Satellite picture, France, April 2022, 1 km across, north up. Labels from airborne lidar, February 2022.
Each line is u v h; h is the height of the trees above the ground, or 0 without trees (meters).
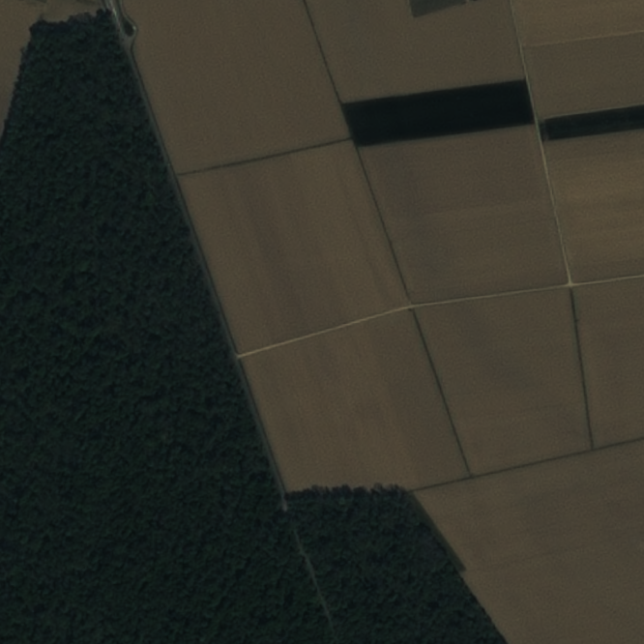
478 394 0
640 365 0
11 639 14
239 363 0
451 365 0
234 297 0
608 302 0
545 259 0
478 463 0
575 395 0
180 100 0
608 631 0
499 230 0
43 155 29
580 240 0
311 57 0
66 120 31
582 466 0
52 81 28
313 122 0
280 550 24
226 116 0
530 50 0
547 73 0
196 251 20
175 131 0
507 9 0
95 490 22
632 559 0
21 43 0
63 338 29
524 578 0
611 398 0
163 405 24
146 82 0
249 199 0
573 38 0
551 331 0
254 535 28
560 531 0
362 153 0
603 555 0
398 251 0
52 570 21
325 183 0
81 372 25
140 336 29
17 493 21
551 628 0
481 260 0
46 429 24
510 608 0
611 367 0
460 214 0
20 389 28
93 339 23
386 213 0
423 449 0
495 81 0
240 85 0
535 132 0
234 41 0
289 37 0
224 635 23
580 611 0
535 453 0
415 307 0
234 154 0
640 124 0
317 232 0
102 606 23
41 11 0
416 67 0
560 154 0
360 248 0
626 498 0
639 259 0
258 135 0
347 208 0
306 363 0
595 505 0
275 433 0
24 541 21
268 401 0
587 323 0
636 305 0
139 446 27
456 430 0
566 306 0
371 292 0
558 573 0
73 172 27
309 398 0
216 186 0
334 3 0
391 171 0
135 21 0
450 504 0
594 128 0
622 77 0
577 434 0
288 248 0
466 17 0
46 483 20
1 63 0
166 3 0
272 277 0
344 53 0
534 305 0
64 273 25
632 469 0
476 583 0
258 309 0
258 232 0
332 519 25
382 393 0
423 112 0
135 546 24
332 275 0
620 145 0
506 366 0
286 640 22
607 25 0
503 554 0
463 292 0
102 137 33
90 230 26
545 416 0
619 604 0
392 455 0
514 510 0
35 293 24
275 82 0
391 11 0
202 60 0
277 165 0
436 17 0
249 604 22
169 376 28
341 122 0
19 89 15
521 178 0
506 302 0
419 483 0
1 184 21
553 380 0
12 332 23
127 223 31
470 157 0
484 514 0
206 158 0
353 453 0
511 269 0
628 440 0
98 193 29
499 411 0
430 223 0
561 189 0
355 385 0
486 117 0
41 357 28
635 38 0
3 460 21
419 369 0
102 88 29
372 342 0
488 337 0
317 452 0
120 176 22
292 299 0
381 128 0
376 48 0
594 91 0
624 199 0
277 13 0
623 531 0
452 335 0
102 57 24
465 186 0
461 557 0
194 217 0
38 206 25
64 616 24
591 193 0
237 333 0
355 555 20
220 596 23
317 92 0
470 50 0
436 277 0
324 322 0
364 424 0
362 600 25
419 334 0
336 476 0
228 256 0
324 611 15
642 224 0
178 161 0
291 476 0
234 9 0
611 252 0
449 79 0
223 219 0
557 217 0
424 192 0
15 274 26
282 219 0
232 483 28
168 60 0
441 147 0
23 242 23
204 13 0
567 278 0
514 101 0
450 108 0
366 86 0
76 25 21
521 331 0
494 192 0
